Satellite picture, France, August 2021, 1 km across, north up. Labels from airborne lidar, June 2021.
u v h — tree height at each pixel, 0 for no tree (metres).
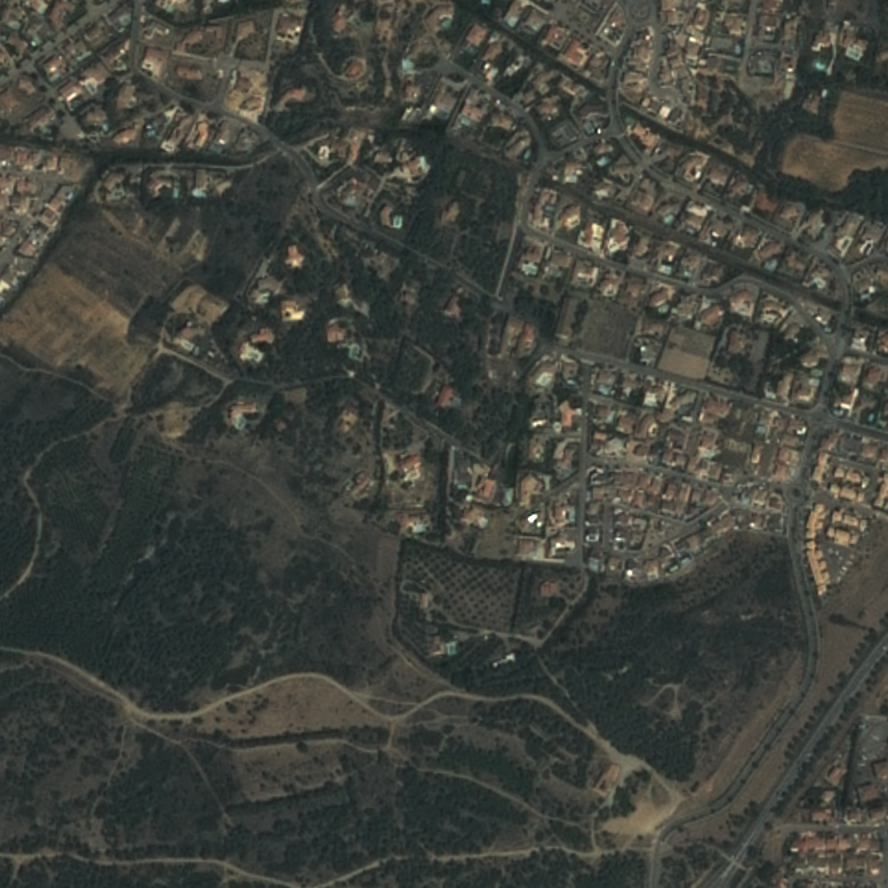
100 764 0
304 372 8
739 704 0
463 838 9
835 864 0
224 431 9
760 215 6
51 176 0
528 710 8
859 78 7
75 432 6
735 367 11
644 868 6
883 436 0
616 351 0
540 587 0
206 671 8
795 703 0
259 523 0
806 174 0
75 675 0
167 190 9
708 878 0
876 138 0
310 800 11
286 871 0
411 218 9
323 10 11
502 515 0
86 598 8
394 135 5
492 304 13
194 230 0
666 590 8
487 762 9
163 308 10
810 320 0
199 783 6
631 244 6
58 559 6
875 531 0
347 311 8
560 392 8
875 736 0
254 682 0
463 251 8
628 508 0
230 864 0
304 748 14
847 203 13
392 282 10
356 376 6
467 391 11
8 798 0
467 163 10
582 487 0
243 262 0
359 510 10
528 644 6
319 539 0
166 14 6
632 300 0
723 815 0
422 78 0
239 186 0
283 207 0
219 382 7
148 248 0
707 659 0
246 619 7
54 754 9
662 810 0
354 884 8
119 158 6
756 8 0
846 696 0
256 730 0
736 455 0
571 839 6
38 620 7
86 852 8
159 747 0
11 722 0
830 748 10
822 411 0
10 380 0
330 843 7
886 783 0
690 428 0
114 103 8
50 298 0
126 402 0
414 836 10
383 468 6
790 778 0
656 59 0
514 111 0
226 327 11
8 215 0
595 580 7
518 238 0
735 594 0
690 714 7
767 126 6
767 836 0
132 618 9
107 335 0
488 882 6
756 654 0
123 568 7
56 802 0
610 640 7
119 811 10
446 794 11
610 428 6
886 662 7
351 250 11
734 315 8
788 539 0
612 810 7
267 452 0
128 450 6
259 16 0
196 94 0
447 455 6
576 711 12
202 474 0
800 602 0
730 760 0
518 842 0
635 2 0
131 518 6
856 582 0
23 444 7
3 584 6
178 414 0
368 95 8
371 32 0
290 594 0
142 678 6
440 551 9
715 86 7
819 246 0
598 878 6
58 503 5
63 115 6
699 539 0
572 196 0
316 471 0
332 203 6
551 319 11
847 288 0
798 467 0
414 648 7
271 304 7
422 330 9
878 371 0
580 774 6
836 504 0
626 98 0
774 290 0
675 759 10
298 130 8
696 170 0
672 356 0
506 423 9
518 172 8
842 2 0
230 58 0
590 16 0
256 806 10
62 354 0
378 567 0
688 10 0
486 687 9
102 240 0
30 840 9
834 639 0
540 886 10
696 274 0
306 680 0
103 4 0
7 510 7
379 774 0
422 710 0
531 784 8
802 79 9
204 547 6
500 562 8
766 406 0
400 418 7
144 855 8
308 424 0
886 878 0
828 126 12
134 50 0
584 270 0
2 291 0
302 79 7
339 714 0
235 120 0
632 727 9
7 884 9
